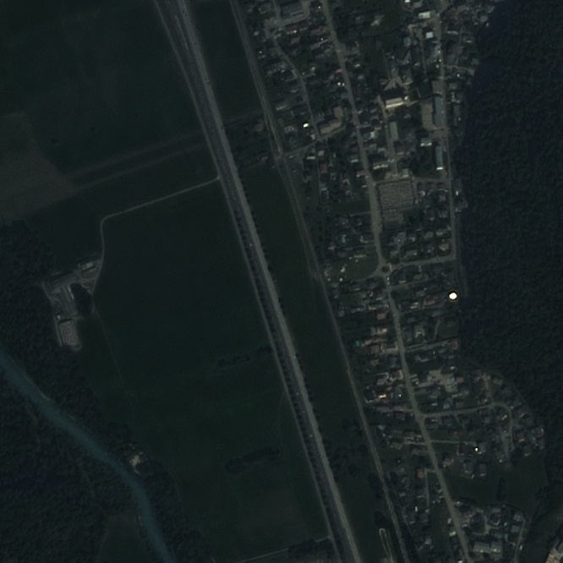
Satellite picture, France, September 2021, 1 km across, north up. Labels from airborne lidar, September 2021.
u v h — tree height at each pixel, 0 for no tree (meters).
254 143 0
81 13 0
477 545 0
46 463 31
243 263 0
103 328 0
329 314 0
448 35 0
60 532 13
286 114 0
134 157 0
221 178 0
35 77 0
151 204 0
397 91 6
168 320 0
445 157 8
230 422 0
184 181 0
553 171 16
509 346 10
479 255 16
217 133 0
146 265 0
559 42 22
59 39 0
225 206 0
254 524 0
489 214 18
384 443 7
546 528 0
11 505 17
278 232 0
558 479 20
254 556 0
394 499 14
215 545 0
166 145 0
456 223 0
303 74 0
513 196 18
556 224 19
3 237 23
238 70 0
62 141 0
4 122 0
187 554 17
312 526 0
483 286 17
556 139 19
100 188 0
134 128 0
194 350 0
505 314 20
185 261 0
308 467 0
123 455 9
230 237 0
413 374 0
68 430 0
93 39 0
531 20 18
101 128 0
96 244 0
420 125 13
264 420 0
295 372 0
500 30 13
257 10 8
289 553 8
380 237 0
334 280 0
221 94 0
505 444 0
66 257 0
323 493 9
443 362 10
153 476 17
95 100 0
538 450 9
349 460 12
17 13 0
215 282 0
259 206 0
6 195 0
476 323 13
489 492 0
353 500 0
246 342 0
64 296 0
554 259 17
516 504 0
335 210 0
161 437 0
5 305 24
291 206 0
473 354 19
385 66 0
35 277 19
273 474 0
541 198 18
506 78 21
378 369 10
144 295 0
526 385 24
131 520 0
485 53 17
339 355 0
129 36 0
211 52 0
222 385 0
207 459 0
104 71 0
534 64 24
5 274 27
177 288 0
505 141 22
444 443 0
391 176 0
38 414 27
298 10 0
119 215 0
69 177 0
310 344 0
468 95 0
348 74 0
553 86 22
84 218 0
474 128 14
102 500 9
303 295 0
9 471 10
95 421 18
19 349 12
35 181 0
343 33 8
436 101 0
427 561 0
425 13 0
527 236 16
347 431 19
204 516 0
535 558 0
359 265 0
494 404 0
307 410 0
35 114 0
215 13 0
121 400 0
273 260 0
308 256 0
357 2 0
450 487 0
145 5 0
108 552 0
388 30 0
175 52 0
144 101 0
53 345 9
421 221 10
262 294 10
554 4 24
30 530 24
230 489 0
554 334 26
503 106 12
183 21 0
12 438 22
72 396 22
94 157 0
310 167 10
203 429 0
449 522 0
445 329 0
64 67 0
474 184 21
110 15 0
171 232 0
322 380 0
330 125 0
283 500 0
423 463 7
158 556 9
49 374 25
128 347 0
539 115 24
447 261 0
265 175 0
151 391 0
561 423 25
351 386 0
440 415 0
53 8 0
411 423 17
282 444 0
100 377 0
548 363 22
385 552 0
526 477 0
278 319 0
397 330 0
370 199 0
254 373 0
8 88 0
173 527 26
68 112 0
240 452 0
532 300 19
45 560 14
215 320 0
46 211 0
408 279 6
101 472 21
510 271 22
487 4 0
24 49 0
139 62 0
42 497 24
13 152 0
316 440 0
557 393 26
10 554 13
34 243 18
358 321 6
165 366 0
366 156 0
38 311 26
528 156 10
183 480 0
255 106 0
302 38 6
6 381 17
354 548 0
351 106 12
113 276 0
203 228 0
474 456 0
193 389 0
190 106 0
